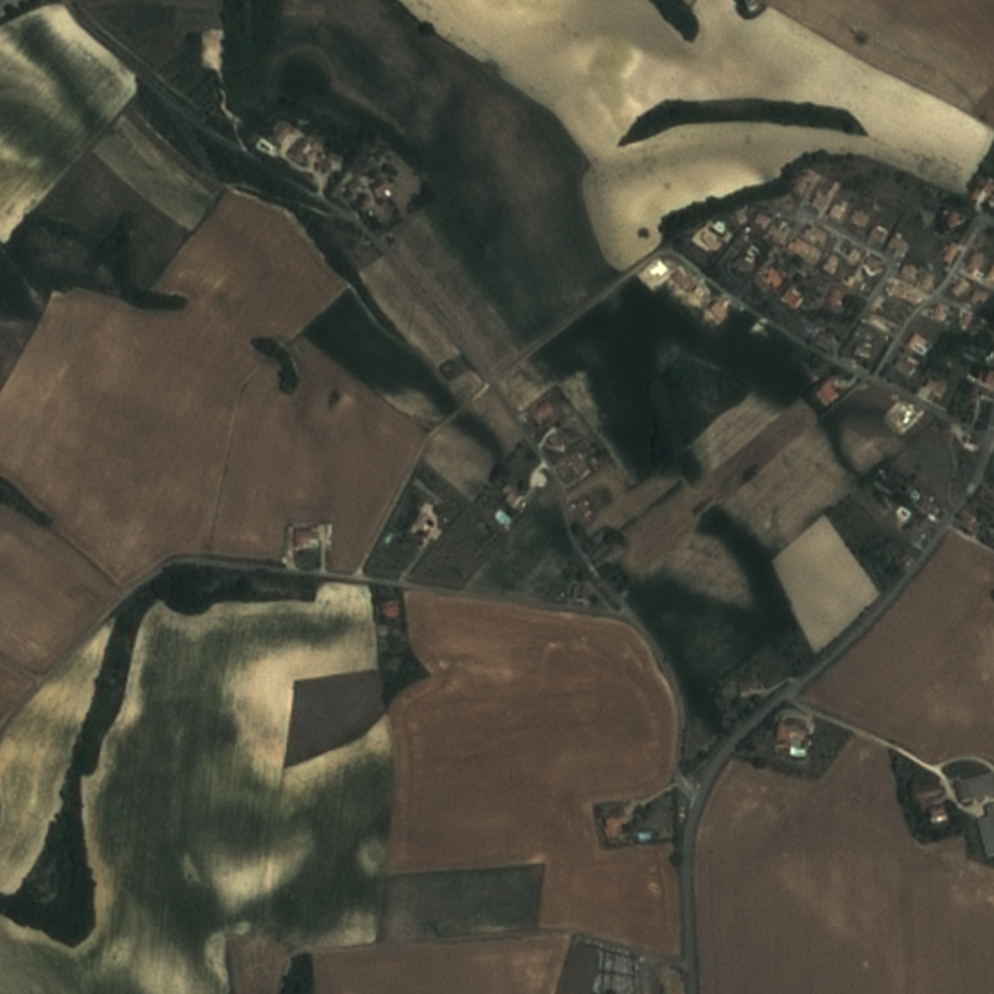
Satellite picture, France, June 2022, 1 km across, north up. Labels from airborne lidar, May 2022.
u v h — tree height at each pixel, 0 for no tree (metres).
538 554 0
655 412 8
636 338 0
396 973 0
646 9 0
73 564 0
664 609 0
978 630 0
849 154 6
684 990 0
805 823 0
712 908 0
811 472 0
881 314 0
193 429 0
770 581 0
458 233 0
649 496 0
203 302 0
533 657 0
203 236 0
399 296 0
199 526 0
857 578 0
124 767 0
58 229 10
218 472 0
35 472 0
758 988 0
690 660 0
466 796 0
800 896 0
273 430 0
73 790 11
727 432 0
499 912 0
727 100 0
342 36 0
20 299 0
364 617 0
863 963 0
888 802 0
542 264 0
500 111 0
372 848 0
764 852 0
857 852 0
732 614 0
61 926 13
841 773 0
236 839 0
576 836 0
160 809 0
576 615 0
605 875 0
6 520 0
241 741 0
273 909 0
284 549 0
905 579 0
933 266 0
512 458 10
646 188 0
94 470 0
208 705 0
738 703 13
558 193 0
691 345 0
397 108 0
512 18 0
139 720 0
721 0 0
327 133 8
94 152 0
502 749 0
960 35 0
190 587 10
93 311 0
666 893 0
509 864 0
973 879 0
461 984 0
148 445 0
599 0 0
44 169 0
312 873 0
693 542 0
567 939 0
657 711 0
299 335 0
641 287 0
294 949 0
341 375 0
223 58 8
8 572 0
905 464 0
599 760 0
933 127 0
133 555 0
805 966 0
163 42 0
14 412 0
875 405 0
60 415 0
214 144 6
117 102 0
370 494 0
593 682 0
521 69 0
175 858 0
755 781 0
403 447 0
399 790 0
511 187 0
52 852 10
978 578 0
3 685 0
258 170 6
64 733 0
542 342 0
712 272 6
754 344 0
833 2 0
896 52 0
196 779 0
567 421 0
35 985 0
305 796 0
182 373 0
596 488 0
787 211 0
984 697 0
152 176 0
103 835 0
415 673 5
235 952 0
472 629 0
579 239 0
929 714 0
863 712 0
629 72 0
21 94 0
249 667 0
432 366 0
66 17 0
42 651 0
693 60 0
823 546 0
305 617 0
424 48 0
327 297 0
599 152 0
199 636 0
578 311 0
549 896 0
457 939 0
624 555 0
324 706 0
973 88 0
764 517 0
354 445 0
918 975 0
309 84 0
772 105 7
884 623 0
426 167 0
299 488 0
